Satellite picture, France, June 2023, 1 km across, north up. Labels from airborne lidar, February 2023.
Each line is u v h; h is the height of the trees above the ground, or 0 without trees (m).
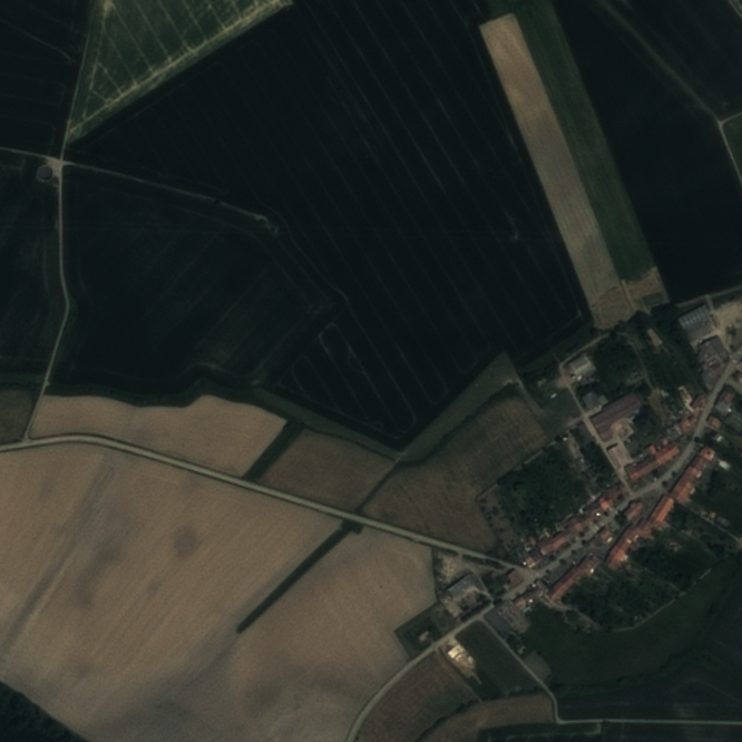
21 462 0
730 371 0
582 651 0
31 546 0
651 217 0
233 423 0
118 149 0
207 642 0
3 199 0
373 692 0
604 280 0
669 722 0
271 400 0
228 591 0
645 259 0
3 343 0
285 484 0
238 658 0
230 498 0
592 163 0
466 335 0
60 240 0
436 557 0
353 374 0
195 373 0
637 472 0
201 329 0
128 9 0
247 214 0
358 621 0
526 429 0
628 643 0
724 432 0
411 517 0
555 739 0
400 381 0
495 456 0
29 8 0
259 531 0
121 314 0
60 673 0
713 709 0
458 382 0
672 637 0
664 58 0
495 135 0
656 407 0
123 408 0
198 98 0
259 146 0
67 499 0
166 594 0
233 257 0
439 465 0
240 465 0
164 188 0
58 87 0
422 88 0
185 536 0
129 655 0
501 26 0
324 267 0
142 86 0
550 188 0
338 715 0
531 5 0
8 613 0
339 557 0
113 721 0
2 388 7
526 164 0
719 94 0
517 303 0
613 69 0
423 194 0
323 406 0
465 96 0
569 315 0
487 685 0
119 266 0
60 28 0
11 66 0
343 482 0
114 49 0
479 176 0
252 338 0
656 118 0
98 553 0
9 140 0
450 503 0
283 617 0
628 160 0
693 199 0
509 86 0
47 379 0
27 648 0
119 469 0
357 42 0
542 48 0
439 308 0
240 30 0
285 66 0
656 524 0
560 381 0
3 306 0
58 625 0
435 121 0
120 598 0
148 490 0
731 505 0
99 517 0
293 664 0
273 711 0
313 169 0
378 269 0
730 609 0
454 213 0
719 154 0
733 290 0
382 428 0
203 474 0
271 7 0
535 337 0
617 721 0
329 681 0
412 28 0
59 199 0
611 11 0
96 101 0
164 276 0
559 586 0
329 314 0
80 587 0
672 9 0
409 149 0
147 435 0
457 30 0
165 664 0
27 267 0
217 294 0
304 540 0
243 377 0
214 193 0
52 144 0
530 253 0
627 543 0
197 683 0
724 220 0
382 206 0
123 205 0
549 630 0
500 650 0
